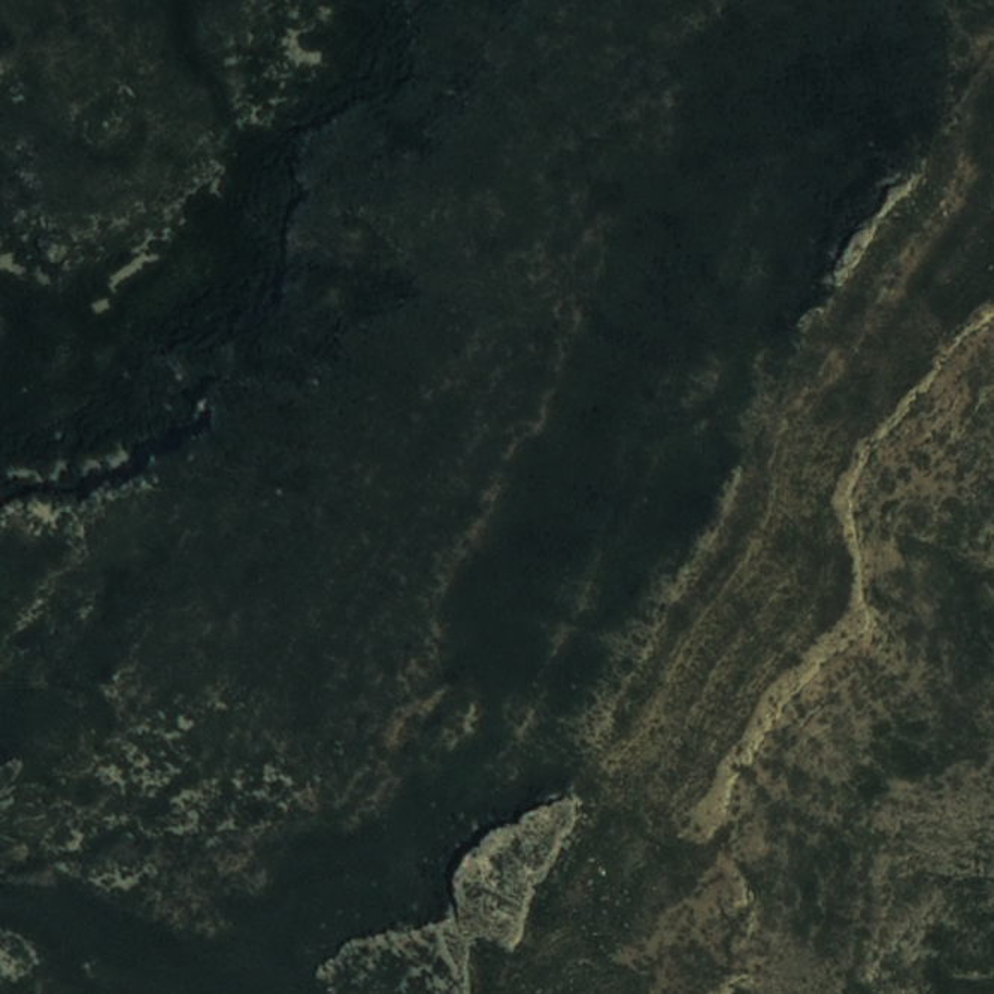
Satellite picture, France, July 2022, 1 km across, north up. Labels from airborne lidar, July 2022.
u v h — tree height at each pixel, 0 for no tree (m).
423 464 0
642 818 0
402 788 0
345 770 0
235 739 0
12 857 0
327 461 0
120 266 7
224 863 0
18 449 11
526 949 6
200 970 0
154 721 0
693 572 0
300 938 0
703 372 0
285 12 6
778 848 0
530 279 0
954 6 0
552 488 0
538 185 0
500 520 0
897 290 0
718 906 0
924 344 0
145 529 0
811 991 0
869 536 0
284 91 6
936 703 0
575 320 0
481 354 0
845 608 0
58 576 0
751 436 0
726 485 0
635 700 0
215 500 0
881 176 6
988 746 0
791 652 0
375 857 0
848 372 0
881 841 0
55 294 6
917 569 0
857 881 0
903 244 0
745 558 0
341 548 0
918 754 0
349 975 0
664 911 0
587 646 0
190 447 5
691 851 0
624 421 0
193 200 11
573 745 0
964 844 0
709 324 0
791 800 0
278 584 0
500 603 0
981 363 0
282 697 0
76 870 0
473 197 0
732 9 7
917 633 0
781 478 0
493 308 0
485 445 0
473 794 0
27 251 6
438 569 0
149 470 9
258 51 10
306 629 0
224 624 0
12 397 7
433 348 0
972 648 0
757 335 0
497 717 0
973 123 0
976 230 0
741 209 0
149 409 6
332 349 7
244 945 0
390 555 0
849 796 0
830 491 0
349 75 11
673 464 0
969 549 0
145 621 0
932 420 0
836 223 7
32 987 0
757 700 0
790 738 0
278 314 5
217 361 7
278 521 0
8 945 0
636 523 0
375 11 7
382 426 0
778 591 0
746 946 0
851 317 0
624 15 0
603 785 0
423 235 0
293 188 6
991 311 0
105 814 0
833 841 0
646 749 0
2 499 11
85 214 0
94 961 0
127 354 8
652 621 0
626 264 0
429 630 0
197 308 13
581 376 0
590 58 0
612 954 0
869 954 0
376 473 0
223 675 0
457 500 0
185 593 0
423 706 0
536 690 0
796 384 0
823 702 0
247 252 8
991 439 0
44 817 0
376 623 0
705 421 0
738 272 0
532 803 6
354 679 0
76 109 0
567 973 0
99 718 0
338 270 8
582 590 0
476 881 0
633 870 0
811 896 0
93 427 9
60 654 0
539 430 0
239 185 9
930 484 0
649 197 0
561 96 0
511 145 0
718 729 0
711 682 0
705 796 0
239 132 10
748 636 0
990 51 0
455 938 0
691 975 0
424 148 7
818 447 0
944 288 0
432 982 0
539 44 0
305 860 0
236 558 0
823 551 0
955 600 0
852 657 0
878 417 0
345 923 0
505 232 0
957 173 0
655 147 0
